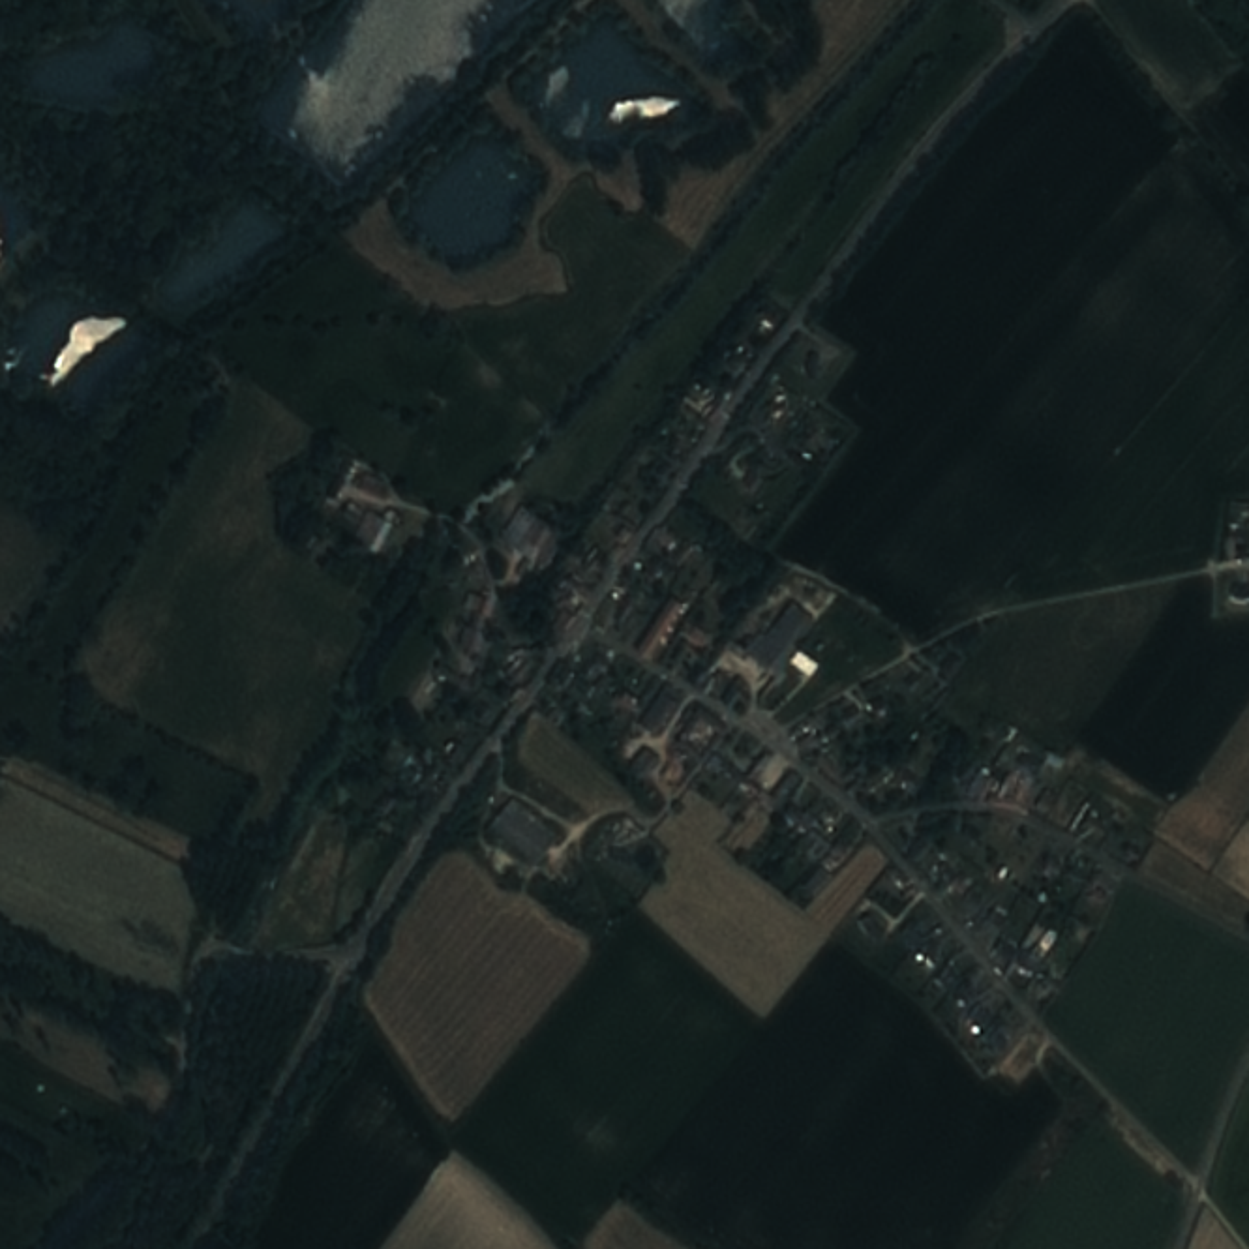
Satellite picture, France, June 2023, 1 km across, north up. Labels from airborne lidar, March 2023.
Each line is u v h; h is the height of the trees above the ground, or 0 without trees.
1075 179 0
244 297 11
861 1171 0
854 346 0
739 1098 0
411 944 0
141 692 0
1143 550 0
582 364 0
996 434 0
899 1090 0
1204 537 0
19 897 0
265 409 0
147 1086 0
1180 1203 0
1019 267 0
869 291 0
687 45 6
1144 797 0
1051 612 0
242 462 0
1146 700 0
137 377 22
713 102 7
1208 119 0
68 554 9
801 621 0
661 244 0
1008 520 0
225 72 11
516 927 0
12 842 0
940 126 0
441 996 0
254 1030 23
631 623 0
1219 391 0
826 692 0
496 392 0
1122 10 0
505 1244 0
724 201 0
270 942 0
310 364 0
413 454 0
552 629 15
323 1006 0
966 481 0
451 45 0
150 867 0
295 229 9
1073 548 0
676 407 6
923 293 0
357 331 0
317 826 0
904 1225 0
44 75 0
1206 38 0
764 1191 0
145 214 33
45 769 0
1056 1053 0
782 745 0
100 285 21
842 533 0
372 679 23
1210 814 0
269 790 0
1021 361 0
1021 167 0
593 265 0
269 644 0
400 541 0
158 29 22
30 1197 0
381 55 0
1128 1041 0
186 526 0
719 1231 0
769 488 0
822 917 0
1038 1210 0
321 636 0
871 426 0
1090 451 0
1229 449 0
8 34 18
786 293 0
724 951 0
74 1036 0
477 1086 0
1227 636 0
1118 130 0
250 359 0
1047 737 0
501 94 0
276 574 0
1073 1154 0
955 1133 0
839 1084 0
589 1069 0
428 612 0
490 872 0
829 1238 0
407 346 0
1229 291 0
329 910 0
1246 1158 0
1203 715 0
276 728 0
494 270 0
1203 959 0
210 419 18
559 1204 0
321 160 0
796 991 0
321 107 0
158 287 0
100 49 0
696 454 0
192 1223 18
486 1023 0
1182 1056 0
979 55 0
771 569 14
